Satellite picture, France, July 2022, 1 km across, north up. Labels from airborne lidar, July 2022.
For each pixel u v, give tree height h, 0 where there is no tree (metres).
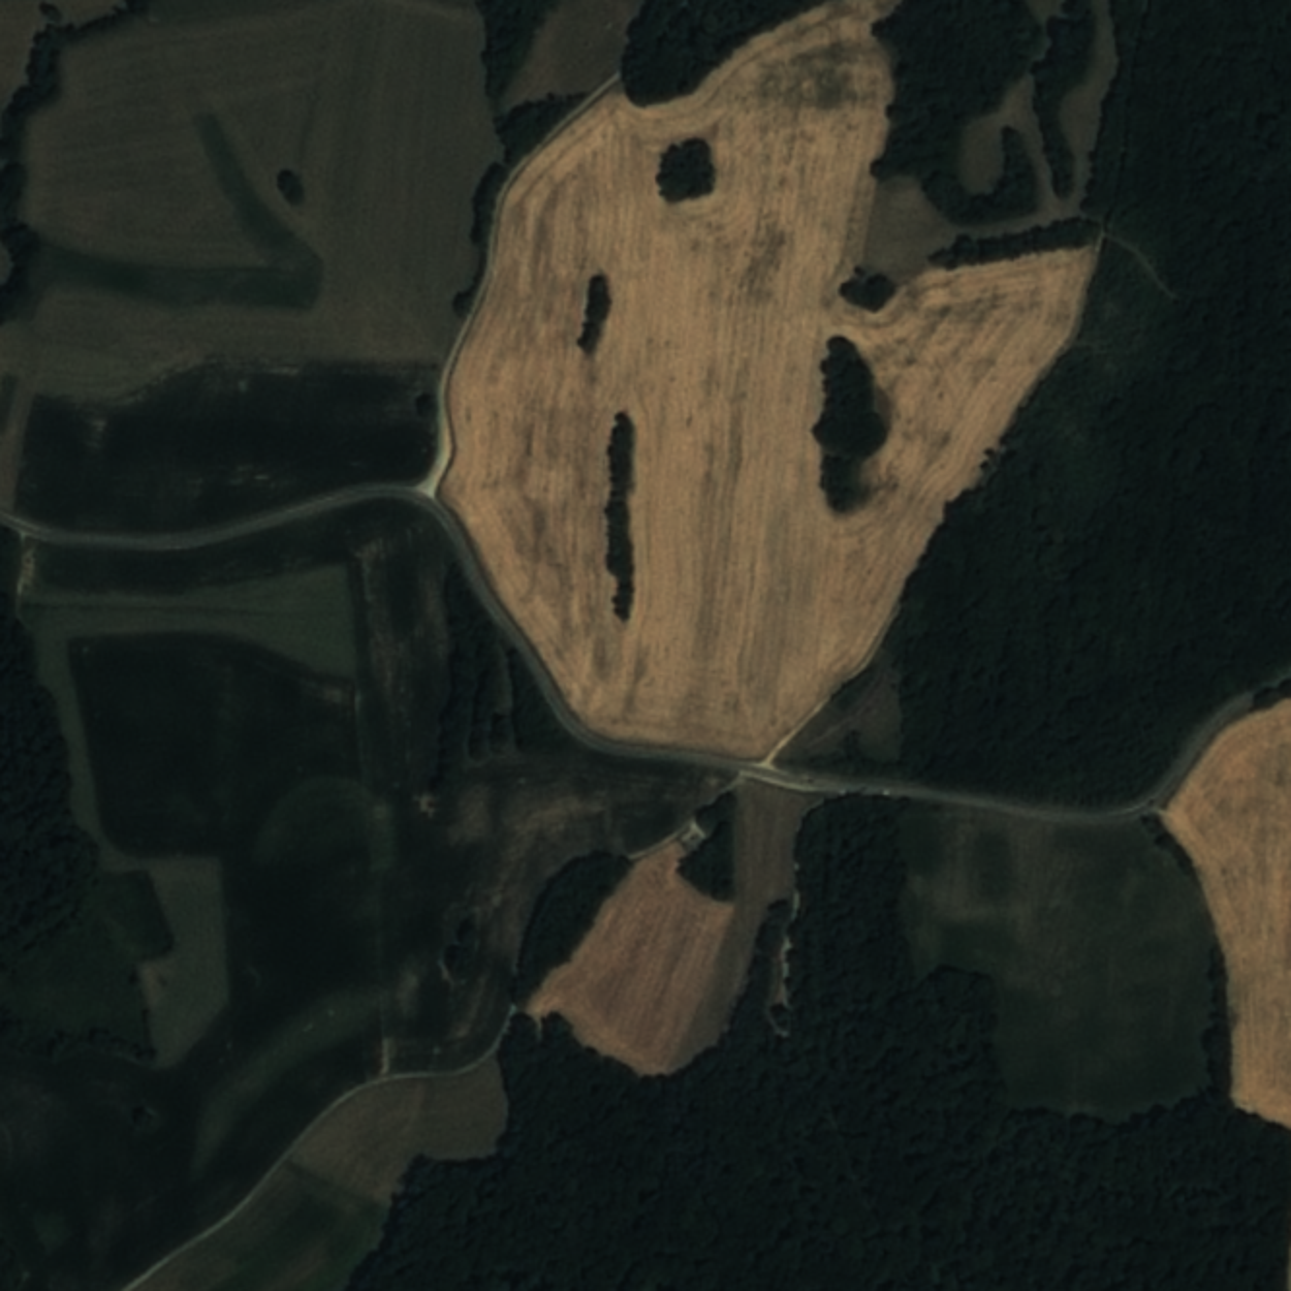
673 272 0
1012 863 0
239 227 0
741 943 0
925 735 10
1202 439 17
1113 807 8
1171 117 12
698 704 0
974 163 0
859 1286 22
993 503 8
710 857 12
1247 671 15
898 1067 18
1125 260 6
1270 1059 0
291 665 0
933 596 11
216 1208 0
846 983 13
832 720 0
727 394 0
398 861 0
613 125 0
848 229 0
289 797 0
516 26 17
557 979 0
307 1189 0
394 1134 0
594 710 0
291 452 0
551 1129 20
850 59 0
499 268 0
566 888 16
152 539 0
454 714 14
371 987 0
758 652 0
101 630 0
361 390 0
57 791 21
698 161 11
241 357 0
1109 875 0
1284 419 23
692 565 0
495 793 0
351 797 0
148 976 0
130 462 0
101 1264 0
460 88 0
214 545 0
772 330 0
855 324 0
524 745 13
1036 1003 0
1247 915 0
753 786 0
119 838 0
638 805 0
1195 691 17
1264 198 21
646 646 0
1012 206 7
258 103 0
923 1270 23
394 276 0
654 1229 23
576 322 0
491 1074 0
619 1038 0
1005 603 8
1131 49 11
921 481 0
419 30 0
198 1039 0
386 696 0
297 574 0
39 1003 0
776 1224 22
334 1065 0
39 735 21
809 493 0
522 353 0
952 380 0
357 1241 0
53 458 0
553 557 0
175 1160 0
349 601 0
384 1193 0
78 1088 0
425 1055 0
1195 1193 13
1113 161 11
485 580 0
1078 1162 19
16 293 16
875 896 19
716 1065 13
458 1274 23
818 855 6
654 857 0
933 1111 19
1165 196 12
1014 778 10
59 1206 0
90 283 0
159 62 0
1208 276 17
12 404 0
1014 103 0
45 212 0
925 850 0
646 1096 20
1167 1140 16
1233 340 11
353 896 0
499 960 0
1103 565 18
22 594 0
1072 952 0
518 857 0
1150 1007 0
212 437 0
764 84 0
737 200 0
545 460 0
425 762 0
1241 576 17
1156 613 9
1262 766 0
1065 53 19
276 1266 0
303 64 0
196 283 0
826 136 0
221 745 0
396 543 0
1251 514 16
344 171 0
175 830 0
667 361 0
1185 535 17
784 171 0
